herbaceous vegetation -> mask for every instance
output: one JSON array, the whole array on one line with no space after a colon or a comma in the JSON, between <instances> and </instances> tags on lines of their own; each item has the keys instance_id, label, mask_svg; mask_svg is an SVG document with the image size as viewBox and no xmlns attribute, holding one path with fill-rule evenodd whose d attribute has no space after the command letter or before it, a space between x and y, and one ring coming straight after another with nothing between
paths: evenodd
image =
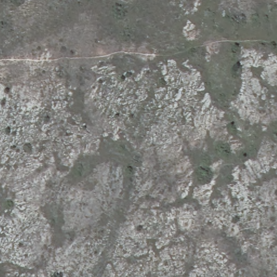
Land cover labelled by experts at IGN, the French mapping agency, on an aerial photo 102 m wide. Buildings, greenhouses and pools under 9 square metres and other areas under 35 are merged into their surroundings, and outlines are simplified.
<instances>
[{"instance_id":1,"label":"herbaceous vegetation","mask_svg":"<svg viewBox=\"0 0 277 277\"><path fill-rule=\"evenodd\" d=\"M90 11L85 14L91 15L91 23L96 26L95 43L109 37L116 40L119 51L131 47L134 43L134 51L138 52L138 47L147 42L147 51L159 55L164 65L168 64L169 60L174 60L177 68L188 74L192 74L192 70L183 65L187 60L189 65L200 72L200 79L205 83L205 90L199 91L196 97L202 101L208 93L216 109L224 111L239 95L242 67L238 71L234 71L232 67L237 62L240 63L241 48L261 52L264 61L269 54L277 56L277 0L252 0L255 2L252 6L254 13L251 14L252 22L248 23L245 13L222 16L219 12L220 0L91 0Z\"/></svg>"},{"instance_id":2,"label":"herbaceous vegetation","mask_svg":"<svg viewBox=\"0 0 277 277\"><path fill-rule=\"evenodd\" d=\"M100 155L79 155L74 161L74 167L66 167L58 157L57 151L53 151L55 169L65 173L69 185L81 190L92 190L97 180L89 182L89 176L93 174L94 168L107 162L114 162L116 167L121 168L123 176L132 176L134 179L134 169L142 166L145 154L140 145L146 137L146 132L159 121L156 116L158 107L146 108L148 102L155 97L156 91L149 88L147 98L136 108L136 117L131 118L130 123L123 121L127 129L119 129L118 140L114 140L113 134L100 138Z\"/></svg>"},{"instance_id":3,"label":"herbaceous vegetation","mask_svg":"<svg viewBox=\"0 0 277 277\"><path fill-rule=\"evenodd\" d=\"M259 179L255 179L255 183L249 183L248 186L250 192L255 192L256 186L277 179L277 171L269 169L268 172L262 173Z\"/></svg>"},{"instance_id":4,"label":"herbaceous vegetation","mask_svg":"<svg viewBox=\"0 0 277 277\"><path fill-rule=\"evenodd\" d=\"M237 268L248 266L251 262L248 255L241 251L239 239L227 236L227 233L220 230L214 238L222 237L227 245L225 252L229 259L226 264L235 264Z\"/></svg>"},{"instance_id":5,"label":"herbaceous vegetation","mask_svg":"<svg viewBox=\"0 0 277 277\"><path fill-rule=\"evenodd\" d=\"M228 143L213 140L209 131L205 137L208 147L206 151L195 147L181 151L184 157L188 156L190 166L193 167L193 182L196 180L201 185L211 182L212 164L223 160L220 175L217 176L209 199L210 208L214 209L213 199L224 198L222 190L225 190L230 201L238 201L238 198L233 196L232 189L228 187L228 184L236 185L234 168L245 169L248 159L255 160L262 140L277 143L277 119L269 123L253 124L246 120L242 130L233 136L241 143L235 154L230 151Z\"/></svg>"},{"instance_id":6,"label":"herbaceous vegetation","mask_svg":"<svg viewBox=\"0 0 277 277\"><path fill-rule=\"evenodd\" d=\"M41 17L42 13L49 13L52 9L55 11L56 5L60 5L58 0L0 0L0 58L12 57L16 47L24 47L25 43L31 43L30 26L35 23L35 18Z\"/></svg>"}]
</instances>

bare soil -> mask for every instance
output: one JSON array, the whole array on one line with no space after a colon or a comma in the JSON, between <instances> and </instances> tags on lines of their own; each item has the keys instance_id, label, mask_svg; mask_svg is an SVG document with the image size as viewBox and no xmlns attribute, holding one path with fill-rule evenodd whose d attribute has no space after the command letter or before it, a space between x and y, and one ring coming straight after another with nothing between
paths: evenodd
<instances>
[{"instance_id":1,"label":"bare soil","mask_svg":"<svg viewBox=\"0 0 277 277\"><path fill-rule=\"evenodd\" d=\"M222 16L245 13L248 23L252 22L251 14L254 13L252 6L255 2L252 0L220 0L219 12Z\"/></svg>"},{"instance_id":2,"label":"bare soil","mask_svg":"<svg viewBox=\"0 0 277 277\"><path fill-rule=\"evenodd\" d=\"M249 183L255 183L255 179L259 179L262 173L268 172L269 169L277 171L277 143L262 140L255 160L248 159L245 169L234 168L236 185L228 184L228 187L232 189L233 196L238 198L238 201L230 201L225 190L222 190L224 198L213 199L214 209L210 208L209 199L217 176L220 175L223 160L212 164L211 182L201 185L196 180L193 182L193 167L190 166L188 156L184 157L181 151L195 147L206 151L208 147L205 137L209 131L213 140L228 143L230 151L235 154L241 143L233 136L242 130L246 120L253 124L269 123L277 119L277 56L269 54L264 61L261 52L241 48L240 63L237 62L232 67L234 71L238 71L242 67L239 95L224 111L216 109L208 93L202 101L196 97L199 91L205 90L205 83L200 79L200 72L189 65L187 60L183 65L192 70L192 74L188 74L177 68L174 60L169 60L168 64L164 65L159 55L147 51L147 42L138 47L138 52L134 51L134 43L131 47L119 51L116 40L109 37L95 43L96 26L91 23L91 15L85 14L90 11L91 0L58 0L60 5L56 5L55 11L52 9L49 13L42 13L41 17L35 18L35 23L30 26L31 43L25 43L24 47L16 47L12 57L0 58L0 277L277 277L277 179L256 186L255 192L250 192L248 186ZM66 167L74 167L74 161L79 155L100 155L100 138L113 134L114 140L118 140L119 129L127 129L123 121L130 123L131 118L136 117L136 108L147 98L149 88L156 91L155 97L148 102L146 108L158 107L156 116L159 121L146 132L146 137L140 145L145 154L142 166L134 169L134 179L132 176L123 176L121 168L116 167L114 162L107 162L94 168L93 174L89 176L89 182L97 180L92 190L81 190L69 185L65 173L55 169L53 151L57 151L58 157ZM229 259L225 252L227 245L222 237L214 238L220 230L227 233L227 236L239 239L241 251L248 255L251 262L248 266L237 268L235 264L226 264Z\"/></svg>"}]
</instances>

